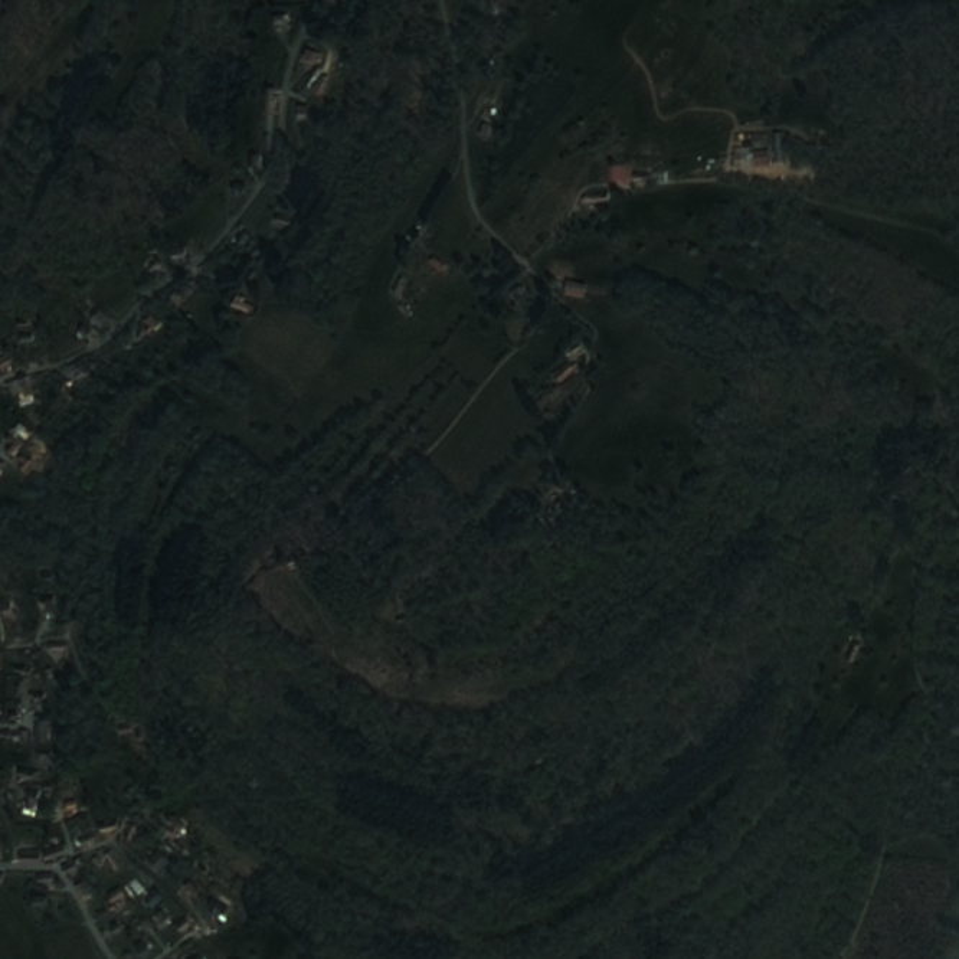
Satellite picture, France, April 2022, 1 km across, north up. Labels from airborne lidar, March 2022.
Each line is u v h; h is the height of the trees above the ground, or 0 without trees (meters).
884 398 23
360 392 0
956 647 14
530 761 16
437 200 12
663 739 23
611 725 20
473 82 16
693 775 35
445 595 11
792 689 26
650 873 18
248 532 22
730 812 20
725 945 12
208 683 26
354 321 0
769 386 16
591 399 0
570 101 0
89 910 0
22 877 0
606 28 0
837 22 0
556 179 0
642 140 0
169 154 23
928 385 0
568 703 16
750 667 19
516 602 20
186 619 18
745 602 24
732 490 15
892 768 16
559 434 17
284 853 17
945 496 7
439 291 0
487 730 22
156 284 17
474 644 18
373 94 20
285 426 0
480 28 18
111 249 19
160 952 0
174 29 13
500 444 0
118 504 8
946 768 8
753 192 14
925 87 21
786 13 22
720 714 22
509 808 20
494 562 16
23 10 22
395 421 9
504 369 0
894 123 19
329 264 19
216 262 12
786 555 15
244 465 22
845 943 16
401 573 25
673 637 17
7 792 6
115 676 20
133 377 8
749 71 17
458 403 0
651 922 16
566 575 20
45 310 16
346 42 14
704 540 18
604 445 0
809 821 23
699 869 27
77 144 32
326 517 23
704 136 0
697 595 18
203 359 28
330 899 19
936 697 10
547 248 13
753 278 0
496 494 17
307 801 17
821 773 21
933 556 22
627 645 17
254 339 0
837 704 0
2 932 0
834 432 8
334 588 21
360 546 21
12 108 11
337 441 17
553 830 22
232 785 21
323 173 19
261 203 0
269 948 0
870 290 14
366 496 24
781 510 23
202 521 14
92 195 24
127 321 0
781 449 16
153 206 24
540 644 18
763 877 24
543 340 0
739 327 23
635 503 0
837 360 12
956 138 12
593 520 15
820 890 23
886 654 0
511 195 0
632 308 17
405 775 12
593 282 0
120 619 23
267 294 0
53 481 19
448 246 0
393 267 0
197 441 8
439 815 30
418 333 0
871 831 23
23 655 13
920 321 23
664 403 0
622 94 0
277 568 23
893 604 10
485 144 0
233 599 23
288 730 24
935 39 29
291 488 20
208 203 0
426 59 18
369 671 0
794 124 0
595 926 23
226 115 21
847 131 11
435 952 33
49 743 0
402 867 18
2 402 0
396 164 21
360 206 19
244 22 16
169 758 21
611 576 20
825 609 25
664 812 34
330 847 15
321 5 9
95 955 0
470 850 25
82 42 14
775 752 23
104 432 20
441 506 27
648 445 0
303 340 0
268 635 23
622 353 0
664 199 0
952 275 0
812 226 16
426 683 0
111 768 10
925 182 14
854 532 22
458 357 0
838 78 22
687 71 0
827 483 26
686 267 0
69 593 8
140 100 12
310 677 21
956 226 23
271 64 0
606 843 35
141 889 0
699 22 0
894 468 33
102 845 0
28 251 19
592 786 10
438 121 17
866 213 0
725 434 19
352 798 30
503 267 13
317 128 18
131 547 36
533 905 21
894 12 32
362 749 27
